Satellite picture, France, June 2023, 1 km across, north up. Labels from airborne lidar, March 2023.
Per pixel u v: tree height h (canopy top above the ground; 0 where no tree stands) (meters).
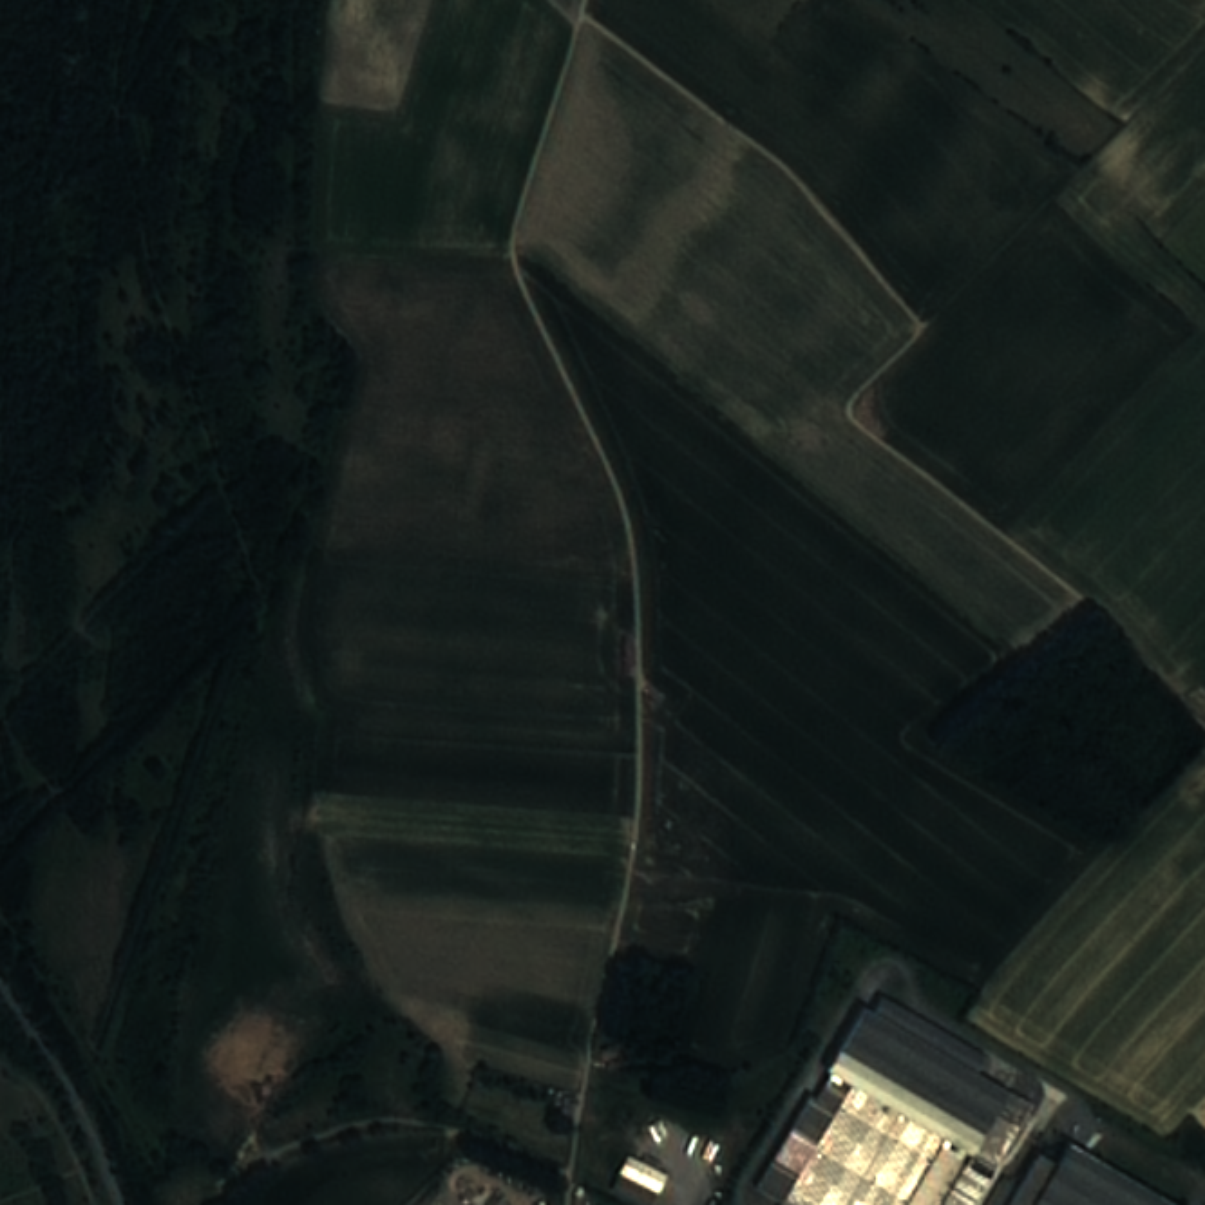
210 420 6
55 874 0
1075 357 0
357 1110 7
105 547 0
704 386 0
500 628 0
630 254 0
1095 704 21
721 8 0
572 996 0
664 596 0
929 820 0
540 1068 0
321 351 11
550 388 0
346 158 0
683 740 0
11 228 6
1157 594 0
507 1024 0
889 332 0
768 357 0
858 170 0
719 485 0
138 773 0
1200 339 0
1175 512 0
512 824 0
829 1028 0
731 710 0
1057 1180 0
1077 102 0
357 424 0
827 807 0
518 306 0
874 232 0
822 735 0
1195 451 0
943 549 0
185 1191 0
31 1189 0
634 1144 0
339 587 0
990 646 0
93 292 10
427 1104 10
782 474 0
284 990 0
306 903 0
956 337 0
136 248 9
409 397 0
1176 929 0
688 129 0
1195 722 9
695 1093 22
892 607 0
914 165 0
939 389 0
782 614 0
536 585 0
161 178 16
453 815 0
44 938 0
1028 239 0
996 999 0
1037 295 0
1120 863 0
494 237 0
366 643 0
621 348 0
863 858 0
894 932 0
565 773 0
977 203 0
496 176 0
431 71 0
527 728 0
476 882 0
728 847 0
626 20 0
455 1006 0
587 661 0
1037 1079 0
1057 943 0
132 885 0
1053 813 16
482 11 0
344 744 0
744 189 0
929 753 0
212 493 12
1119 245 0
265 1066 0
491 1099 0
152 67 13
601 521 0
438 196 0
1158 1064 0
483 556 0
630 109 0
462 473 0
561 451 0
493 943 0
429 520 0
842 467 0
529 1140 0
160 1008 0
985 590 0
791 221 0
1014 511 0
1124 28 0
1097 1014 0
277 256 0
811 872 0
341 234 0
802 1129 0
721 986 0
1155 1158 0
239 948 0
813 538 0
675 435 0
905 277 0
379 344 0
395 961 0
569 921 0
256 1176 15
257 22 15
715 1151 0
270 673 0
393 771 0
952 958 0
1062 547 0
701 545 0
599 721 0
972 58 0
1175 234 0
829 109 0
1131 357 0
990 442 0
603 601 0
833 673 0
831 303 0
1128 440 0
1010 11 0
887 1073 0
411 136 0
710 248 0
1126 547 0
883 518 0
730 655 0
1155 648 0
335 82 0
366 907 0
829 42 0
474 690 0
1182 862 0
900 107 0
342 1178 0
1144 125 0
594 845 0
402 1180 0
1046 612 0
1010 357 0
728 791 0
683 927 0
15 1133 7
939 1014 0
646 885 0
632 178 0
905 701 0
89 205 7
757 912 0
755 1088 0
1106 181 0
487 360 0
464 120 0
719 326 0
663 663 0
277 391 0
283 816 0
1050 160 0
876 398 0
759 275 0
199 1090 0
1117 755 15
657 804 0
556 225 0
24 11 15
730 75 0
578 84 0
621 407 0
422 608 0
